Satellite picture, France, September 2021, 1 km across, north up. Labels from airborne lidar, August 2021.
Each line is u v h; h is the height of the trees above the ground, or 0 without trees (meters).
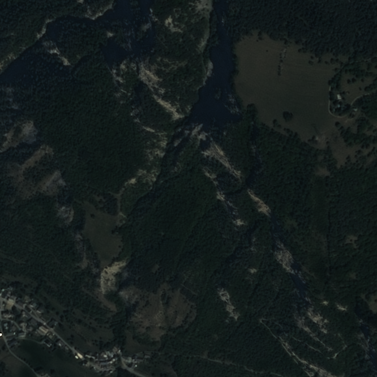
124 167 8
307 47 16
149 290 12
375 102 17
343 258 12
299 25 17
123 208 7
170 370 0
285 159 10
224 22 10
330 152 7
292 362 15
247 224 15
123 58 15
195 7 7
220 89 16
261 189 13
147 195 7
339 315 17
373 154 6
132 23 14
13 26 12
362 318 15
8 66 6
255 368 7
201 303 8
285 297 10
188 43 16
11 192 8
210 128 10
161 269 12
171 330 10
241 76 0
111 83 6
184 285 8
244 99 0
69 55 10
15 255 11
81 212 10
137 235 6
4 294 0
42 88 11
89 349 0
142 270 10
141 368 0
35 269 12
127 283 7
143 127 9
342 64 11
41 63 20
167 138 6
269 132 6
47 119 12
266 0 19
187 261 7
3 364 10
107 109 7
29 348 0
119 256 7
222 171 8
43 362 0
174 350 7
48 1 12
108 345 11
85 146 7
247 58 0
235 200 11
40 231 10
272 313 14
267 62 0
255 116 10
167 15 12
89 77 10
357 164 7
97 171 10
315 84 0
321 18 15
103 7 14
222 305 7
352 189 16
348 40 14
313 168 13
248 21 11
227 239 6
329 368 9
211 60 0
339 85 14
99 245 0
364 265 11
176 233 9
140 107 9
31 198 7
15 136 6
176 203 8
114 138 9
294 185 12
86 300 10
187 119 20
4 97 8
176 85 13
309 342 12
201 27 6
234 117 9
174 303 0
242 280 10
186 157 10
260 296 11
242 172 12
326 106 0
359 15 21
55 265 8
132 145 6
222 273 6
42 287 9
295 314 6
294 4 18
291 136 12
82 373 0
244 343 12
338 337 9
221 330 8
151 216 9
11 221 7
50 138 9
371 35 14
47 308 12
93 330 9
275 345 14
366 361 8
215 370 9
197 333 6
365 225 12
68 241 10
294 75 0
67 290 8
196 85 11
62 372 0
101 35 9
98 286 6
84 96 9
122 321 11
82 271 11
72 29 18
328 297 16
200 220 17
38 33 7
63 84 7
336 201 12
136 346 0
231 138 12
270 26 13
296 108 0
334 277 12
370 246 13
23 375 0
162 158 8
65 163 7
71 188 11
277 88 0
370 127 12
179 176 7
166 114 12
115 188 8
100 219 0
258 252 12
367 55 15
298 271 23
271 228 10
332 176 7
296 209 10
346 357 9
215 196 9
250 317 13
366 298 8
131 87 7
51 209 10
